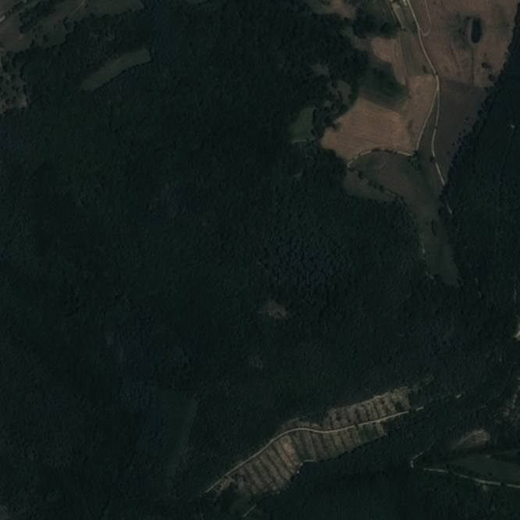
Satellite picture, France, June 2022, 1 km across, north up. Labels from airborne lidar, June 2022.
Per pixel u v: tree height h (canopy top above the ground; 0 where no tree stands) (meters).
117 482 9
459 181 20
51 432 17
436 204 0
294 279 26
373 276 22
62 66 17
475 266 9
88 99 14
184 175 17
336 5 0
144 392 25
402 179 0
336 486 14
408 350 16
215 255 12
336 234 17
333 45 24
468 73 0
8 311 21
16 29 0
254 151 27
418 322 21
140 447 13
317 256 26
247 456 14
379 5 0
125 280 15
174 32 30
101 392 21
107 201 17
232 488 10
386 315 23
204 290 14
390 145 0
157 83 23
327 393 12
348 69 24
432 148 0
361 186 0
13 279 25
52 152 14
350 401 15
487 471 0
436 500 12
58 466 17
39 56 15
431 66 0
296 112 14
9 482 10
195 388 8
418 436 25
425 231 0
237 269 14
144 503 9
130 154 17
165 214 7
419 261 9
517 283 8
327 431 0
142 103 18
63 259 21
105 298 16
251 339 14
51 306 19
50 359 25
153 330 17
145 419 9
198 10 24
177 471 6
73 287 17
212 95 18
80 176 14
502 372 17
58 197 18
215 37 20
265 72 17
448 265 0
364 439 0
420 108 0
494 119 14
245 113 20
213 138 28
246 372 9
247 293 14
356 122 0
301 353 18
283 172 13
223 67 24
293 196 12
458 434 17
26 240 14
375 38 0
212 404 6
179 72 18
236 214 12
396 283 18
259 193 24
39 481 20
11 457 15
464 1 0
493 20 0
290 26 21
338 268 26
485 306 13
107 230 14
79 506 8
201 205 8
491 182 16
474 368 13
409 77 0
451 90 0
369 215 19
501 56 0
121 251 15
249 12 20
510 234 14
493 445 22
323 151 12
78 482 15
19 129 19
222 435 11
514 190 15
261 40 20
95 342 11
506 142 12
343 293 9
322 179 19
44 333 19
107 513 18
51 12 15
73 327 18
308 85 22
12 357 22
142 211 17
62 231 14
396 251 19
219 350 13
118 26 13
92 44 12
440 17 0
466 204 19
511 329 12
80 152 14
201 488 17
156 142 21
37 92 17
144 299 16
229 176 20
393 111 0
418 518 13
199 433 10
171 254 11
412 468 8
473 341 7
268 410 13
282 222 17
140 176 20
